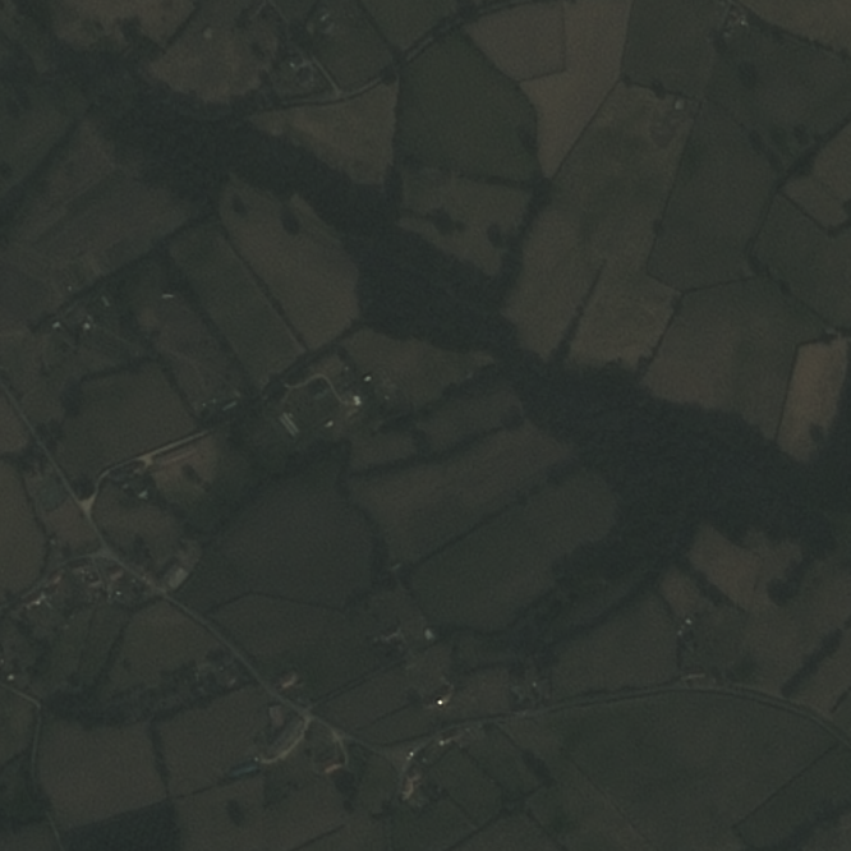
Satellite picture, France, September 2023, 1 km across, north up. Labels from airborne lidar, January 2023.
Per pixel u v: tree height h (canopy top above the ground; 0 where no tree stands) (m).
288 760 0
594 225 0
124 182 0
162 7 0
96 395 0
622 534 11
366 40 0
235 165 23
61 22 0
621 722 0
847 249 0
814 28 0
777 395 0
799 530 24
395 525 0
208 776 0
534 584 0
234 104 13
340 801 0
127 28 17
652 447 19
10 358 0
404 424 7
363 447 0
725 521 15
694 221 0
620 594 0
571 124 0
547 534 0
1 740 0
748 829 0
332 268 0
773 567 0
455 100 0
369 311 17
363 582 0
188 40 0
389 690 0
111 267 0
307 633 0
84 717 14
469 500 0
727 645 0
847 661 0
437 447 0
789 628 0
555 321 0
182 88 0
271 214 0
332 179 21
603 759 0
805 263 0
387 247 26
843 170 0
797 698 0
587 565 18
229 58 0
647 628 0
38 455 13
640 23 0
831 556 0
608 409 31
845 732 0
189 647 0
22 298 0
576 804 0
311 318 0
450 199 0
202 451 0
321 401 0
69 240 0
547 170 0
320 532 0
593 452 25
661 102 0
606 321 0
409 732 0
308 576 0
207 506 0
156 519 0
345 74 0
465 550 0
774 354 0
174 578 0
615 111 0
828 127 0
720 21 0
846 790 0
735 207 0
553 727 0
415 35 0
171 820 9
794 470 17
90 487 11
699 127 0
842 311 0
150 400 0
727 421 20
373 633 0
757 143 16
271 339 0
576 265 0
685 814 0
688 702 0
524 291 0
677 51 0
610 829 0
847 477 24
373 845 0
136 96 9
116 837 11
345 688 0
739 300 0
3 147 0
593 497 0
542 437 0
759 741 0
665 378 0
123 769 0
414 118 0
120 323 8
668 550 7
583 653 0
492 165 0
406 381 0
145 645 0
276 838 0
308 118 0
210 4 0
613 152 0
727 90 0
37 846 0
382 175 0
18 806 0
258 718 0
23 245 0
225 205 0
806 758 0
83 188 0
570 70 0
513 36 0
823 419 0
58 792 0
